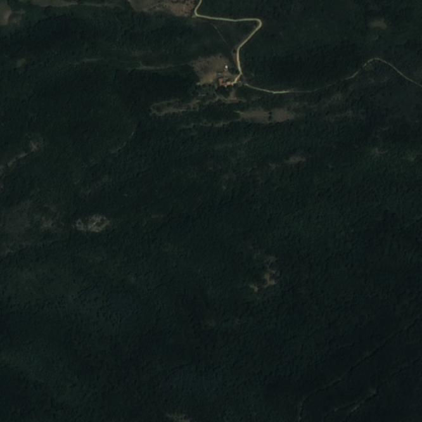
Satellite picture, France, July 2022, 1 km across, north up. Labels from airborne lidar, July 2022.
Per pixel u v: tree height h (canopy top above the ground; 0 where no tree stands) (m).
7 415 20
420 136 11
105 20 6
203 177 8
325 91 7
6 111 11
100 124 14
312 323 16
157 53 5
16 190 14
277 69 12
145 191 12
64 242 16
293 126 11
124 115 6
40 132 10
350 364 18
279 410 16
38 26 13
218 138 12
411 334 13
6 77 13
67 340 21
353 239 11
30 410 11
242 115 0
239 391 9
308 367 13
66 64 9
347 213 12
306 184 16
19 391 21
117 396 10
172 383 17
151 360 18
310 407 11
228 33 0
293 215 14
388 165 7
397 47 8
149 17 6
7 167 7
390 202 13
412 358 11
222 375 16
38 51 13
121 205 11
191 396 10
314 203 9
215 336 10
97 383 8
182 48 9
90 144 16
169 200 16
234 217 15
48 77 10
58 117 15
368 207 12
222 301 14
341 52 14
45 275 6
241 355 14
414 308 7
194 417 13
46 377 7
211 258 14
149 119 13
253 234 12
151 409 9
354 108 8
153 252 13
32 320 17
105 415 10
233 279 15
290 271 17
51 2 0
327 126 10
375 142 14
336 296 7
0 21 0
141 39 10
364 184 21
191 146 9
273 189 17
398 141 15
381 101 6
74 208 7
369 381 17
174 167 9
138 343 14
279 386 20
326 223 16
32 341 9
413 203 9
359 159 16
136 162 9
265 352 17
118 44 6
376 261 10
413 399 9
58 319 11
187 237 14
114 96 16
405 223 8
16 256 11
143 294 10
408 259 8
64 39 14
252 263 9
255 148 8
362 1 10
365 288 10
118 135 7
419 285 10
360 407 6
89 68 12
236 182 10
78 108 15
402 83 8
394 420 10
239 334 10
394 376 11
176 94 12
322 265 18
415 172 15
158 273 13
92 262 6
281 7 6
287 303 11
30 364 9
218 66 0
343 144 8
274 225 14
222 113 11
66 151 12
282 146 6
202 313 15
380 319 20
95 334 7
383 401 16
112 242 10
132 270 8
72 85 14
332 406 11
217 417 7
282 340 12
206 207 23
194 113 9
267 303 12
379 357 16
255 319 6
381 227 16
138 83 20
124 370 10
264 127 10
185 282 16
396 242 11
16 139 16
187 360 14
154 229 15
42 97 11
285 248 17
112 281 7
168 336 21
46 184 12
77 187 7
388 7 9
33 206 6
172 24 7
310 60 10
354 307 12
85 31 15
